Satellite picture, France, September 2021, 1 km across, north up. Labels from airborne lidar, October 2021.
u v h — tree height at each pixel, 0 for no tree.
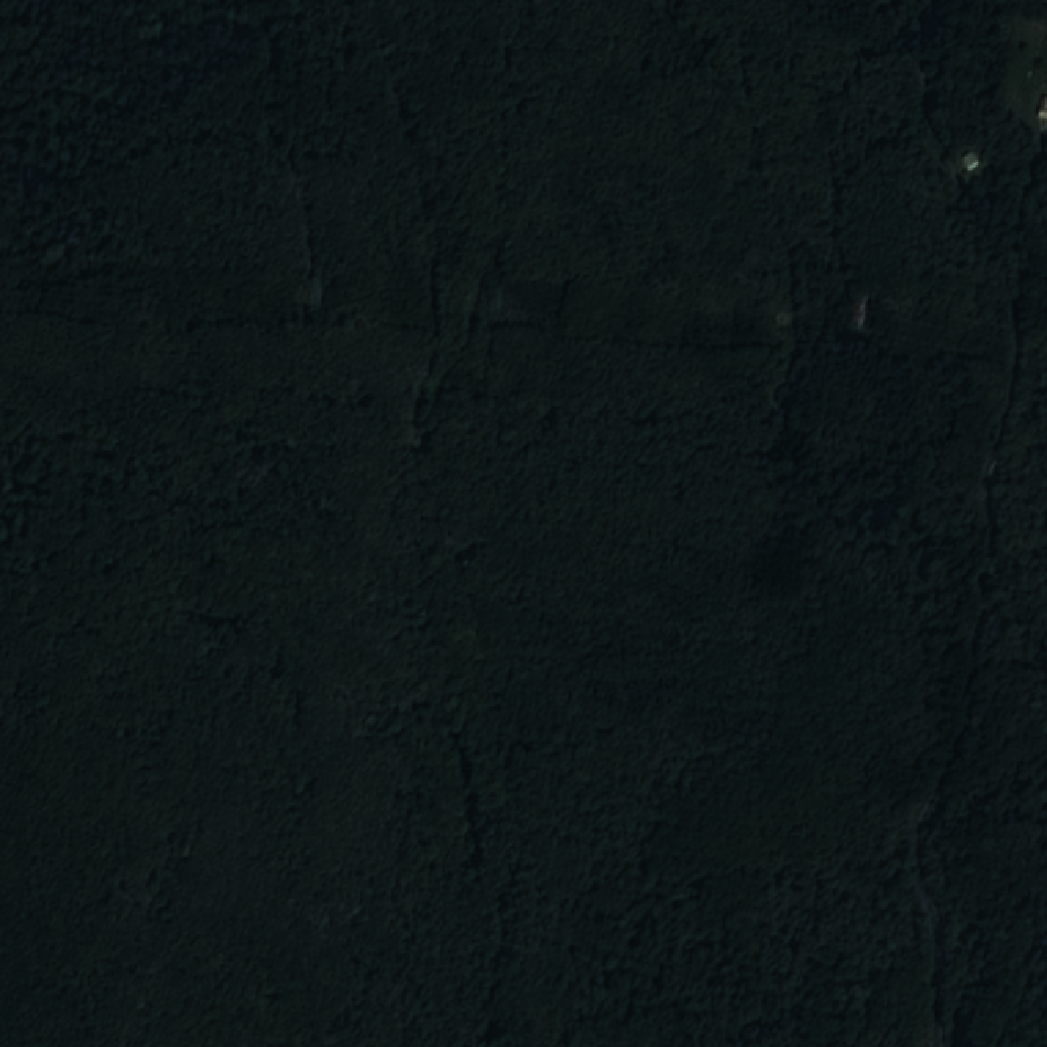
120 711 20
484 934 15
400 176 15
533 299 6
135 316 13
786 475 33
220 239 23
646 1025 29
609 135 18
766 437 26
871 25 23
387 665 27
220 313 7
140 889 15
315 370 22
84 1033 19
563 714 17
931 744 33
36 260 8
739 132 18
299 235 18
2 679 21
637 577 17
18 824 22
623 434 29
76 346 19
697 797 21
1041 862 28
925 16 12
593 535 20
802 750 27
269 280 9
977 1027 23
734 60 20
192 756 21
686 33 8
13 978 22
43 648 23
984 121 25
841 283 23
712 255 17
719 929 28
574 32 19
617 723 17
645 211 21
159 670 22
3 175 23
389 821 20
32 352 13
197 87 24
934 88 14
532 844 21
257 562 24
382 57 16
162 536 26
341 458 18
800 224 25
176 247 20
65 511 24
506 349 15
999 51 29
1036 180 32
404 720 27
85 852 22
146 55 28
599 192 14
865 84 25
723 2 21
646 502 26
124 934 18
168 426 25
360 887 24
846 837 25
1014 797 21
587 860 21
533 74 20
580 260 24
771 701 20
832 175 26
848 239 16
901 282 19
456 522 19
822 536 31
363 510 21
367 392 24
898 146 24
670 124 24
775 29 25
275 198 19
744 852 25
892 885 13
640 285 11
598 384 24
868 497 33
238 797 22
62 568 22
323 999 22
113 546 25
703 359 21
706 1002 27
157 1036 21
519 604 20
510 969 19
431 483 23
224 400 23
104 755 22
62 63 33
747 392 14
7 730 18
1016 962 26
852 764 30
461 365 20
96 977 23
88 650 20
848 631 23
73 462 26
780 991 31
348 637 27
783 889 29
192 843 16
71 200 24
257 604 24
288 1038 26
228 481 28
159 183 17
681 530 20
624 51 24
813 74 22
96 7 30
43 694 23
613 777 24
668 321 10
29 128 30
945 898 26
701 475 27
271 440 24
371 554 21
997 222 26
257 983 30
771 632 24
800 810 23
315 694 20
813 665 26
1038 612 22
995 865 24
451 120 26
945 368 24
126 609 23
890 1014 23
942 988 18
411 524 23
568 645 19
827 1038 22
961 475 24
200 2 27
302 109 29
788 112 28
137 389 22
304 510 25
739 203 14
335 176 17
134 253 16
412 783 24
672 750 20
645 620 19
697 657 19
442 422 24
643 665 20
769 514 24
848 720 28
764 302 6
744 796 22
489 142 26
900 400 30
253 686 23
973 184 11
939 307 21
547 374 18
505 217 23
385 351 13
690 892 25
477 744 27
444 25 24
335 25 21
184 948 25
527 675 28
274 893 19
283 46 26
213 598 26
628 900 23
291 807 24
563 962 25
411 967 19
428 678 24
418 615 17
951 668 22
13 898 21
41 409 22
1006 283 19
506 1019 18
